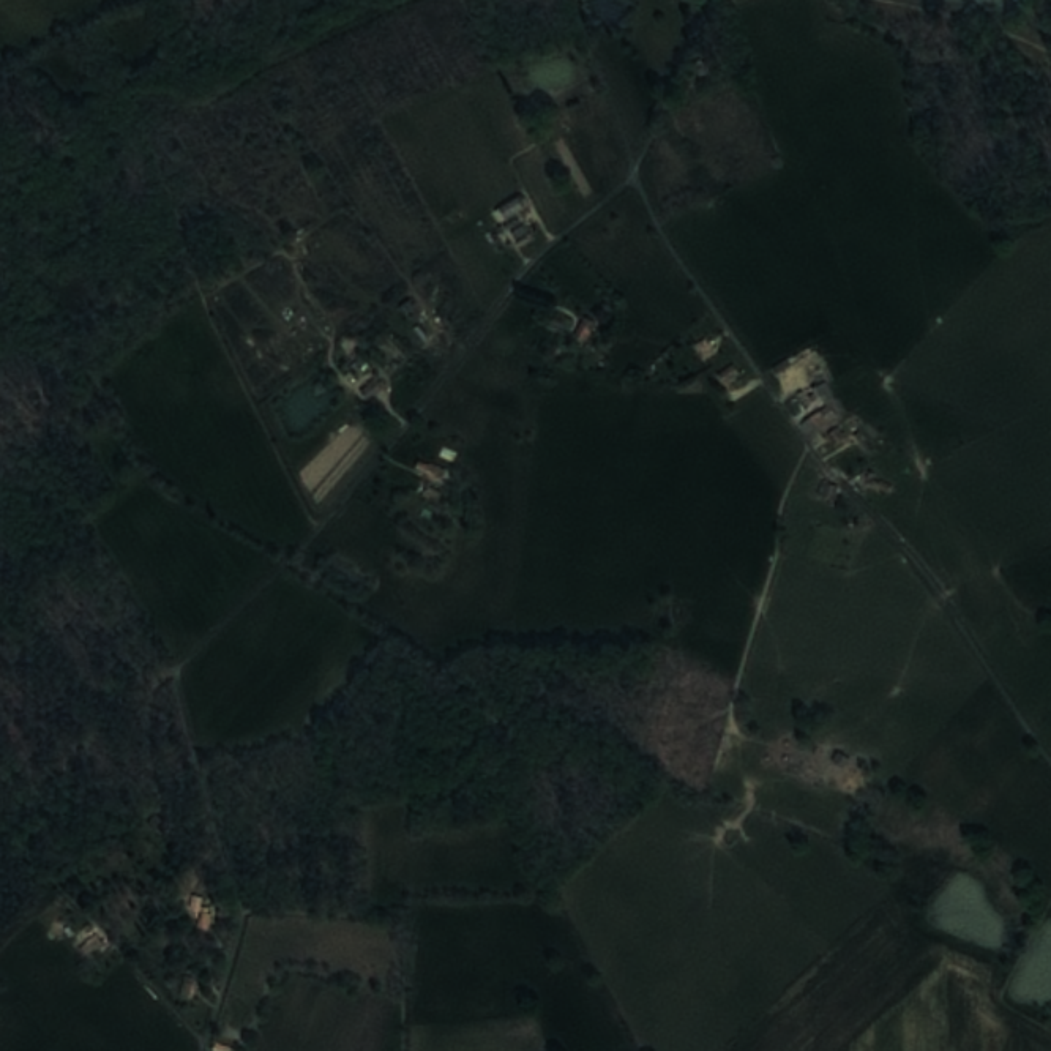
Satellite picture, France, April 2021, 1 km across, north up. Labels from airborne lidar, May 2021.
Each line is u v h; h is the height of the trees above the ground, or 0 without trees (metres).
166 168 13
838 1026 0
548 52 13
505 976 0
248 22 19
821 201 0
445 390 0
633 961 0
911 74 14
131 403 0
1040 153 20
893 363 0
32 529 21
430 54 13
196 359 0
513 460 0
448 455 0
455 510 13
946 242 0
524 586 0
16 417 11
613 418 0
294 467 0
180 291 18
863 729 0
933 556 0
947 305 0
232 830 15
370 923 15
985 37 17
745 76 17
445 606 0
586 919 0
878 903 0
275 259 9
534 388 0
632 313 0
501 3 14
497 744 30
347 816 14
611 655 24
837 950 0
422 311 0
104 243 20
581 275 0
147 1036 0
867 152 0
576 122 0
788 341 0
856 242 0
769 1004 0
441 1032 0
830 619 0
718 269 0
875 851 20
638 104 0
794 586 0
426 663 21
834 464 0
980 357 0
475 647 13
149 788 13
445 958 0
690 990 0
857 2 19
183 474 0
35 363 17
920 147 14
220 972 12
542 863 18
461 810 25
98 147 20
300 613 0
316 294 6
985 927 0
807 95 0
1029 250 0
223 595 0
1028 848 0
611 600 0
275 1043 0
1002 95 26
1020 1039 0
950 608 0
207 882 14
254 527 0
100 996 0
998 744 0
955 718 0
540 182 0
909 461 0
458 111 0
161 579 0
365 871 10
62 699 23
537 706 23
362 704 17
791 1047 0
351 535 0
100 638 10
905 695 0
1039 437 0
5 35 0
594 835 21
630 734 18
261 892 14
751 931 0
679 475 0
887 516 0
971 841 16
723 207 0
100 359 16
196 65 17
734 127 0
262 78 8
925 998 0
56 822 24
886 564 0
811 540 0
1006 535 0
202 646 0
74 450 26
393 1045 0
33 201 17
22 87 25
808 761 0
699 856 0
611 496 0
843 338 0
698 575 0
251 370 0
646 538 0
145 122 10
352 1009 0
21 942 0
